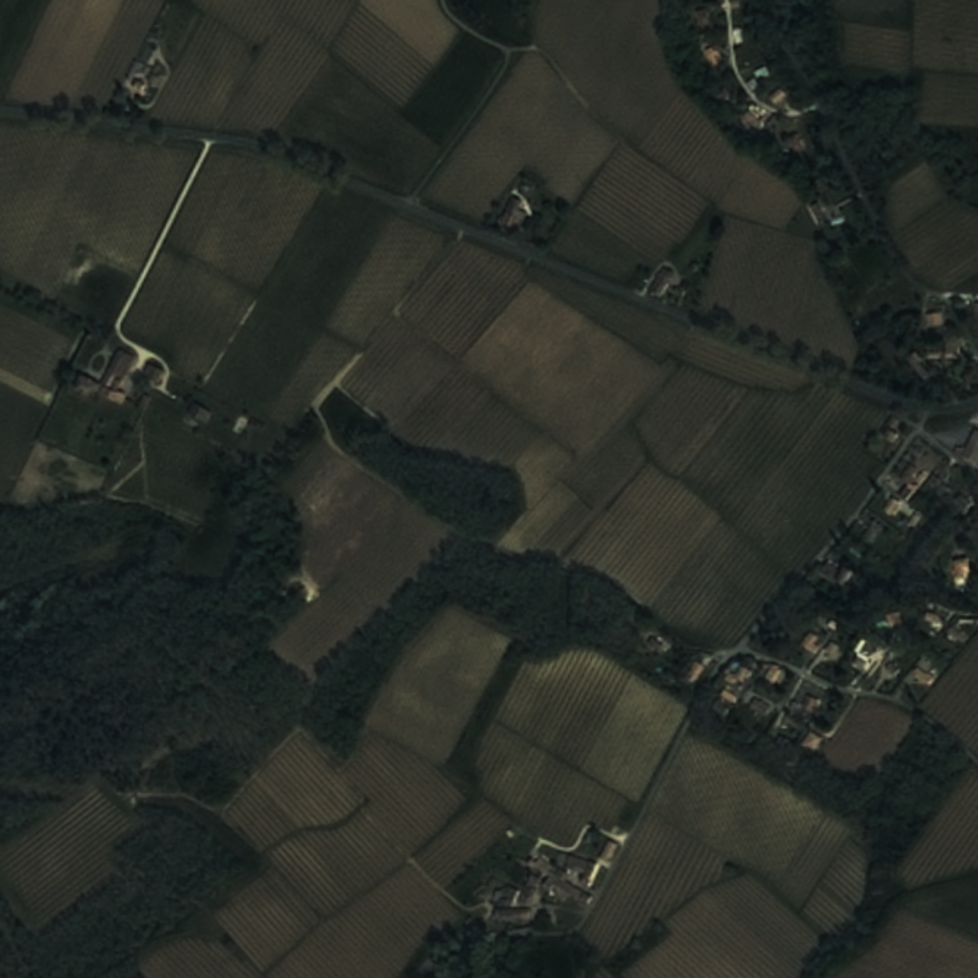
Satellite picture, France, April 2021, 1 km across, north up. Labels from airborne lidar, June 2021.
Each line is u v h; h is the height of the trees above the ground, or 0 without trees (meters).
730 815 0
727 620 0
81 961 15
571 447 0
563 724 0
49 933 11
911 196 0
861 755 0
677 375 0
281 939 0
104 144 0
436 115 0
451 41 0
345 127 0
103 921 11
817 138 5
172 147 0
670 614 0
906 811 9
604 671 0
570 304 0
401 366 0
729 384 0
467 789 0
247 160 0
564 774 0
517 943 10
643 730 0
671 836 0
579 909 0
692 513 0
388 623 16
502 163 0
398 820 0
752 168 0
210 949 0
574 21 0
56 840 0
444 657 0
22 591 17
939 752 16
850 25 0
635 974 0
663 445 0
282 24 0
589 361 0
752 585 0
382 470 15
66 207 0
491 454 0
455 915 0
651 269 7
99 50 0
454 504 17
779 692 12
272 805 0
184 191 0
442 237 0
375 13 0
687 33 22
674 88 0
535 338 0
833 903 0
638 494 0
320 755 0
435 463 19
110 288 0
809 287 0
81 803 0
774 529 0
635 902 0
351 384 0
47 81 0
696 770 0
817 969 13
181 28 0
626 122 0
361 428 19
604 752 0
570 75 0
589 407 0
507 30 0
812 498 0
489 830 0
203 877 13
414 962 0
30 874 0
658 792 0
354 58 0
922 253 0
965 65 0
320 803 0
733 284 0
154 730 14
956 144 18
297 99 0
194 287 0
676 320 0
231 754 13
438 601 8
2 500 0
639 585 0
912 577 18
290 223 0
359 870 0
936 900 0
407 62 0
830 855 0
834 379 22
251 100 0
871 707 0
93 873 0
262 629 14
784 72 11
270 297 0
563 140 0
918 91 12
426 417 0
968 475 11
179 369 0
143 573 21
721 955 0
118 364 0
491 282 0
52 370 0
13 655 15
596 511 0
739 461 0
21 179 0
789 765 20
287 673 16
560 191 0
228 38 0
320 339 0
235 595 21
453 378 0
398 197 0
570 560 0
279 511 11
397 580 0
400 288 0
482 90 0
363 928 0
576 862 0
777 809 0
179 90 0
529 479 0
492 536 16
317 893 0
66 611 21
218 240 0
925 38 0
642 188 0
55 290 0
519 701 0
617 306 0
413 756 0
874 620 18
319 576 0
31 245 0
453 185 0
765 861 0
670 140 0
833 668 6
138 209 0
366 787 0
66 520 20
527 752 0
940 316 0
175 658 13
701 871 0
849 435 0
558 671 0
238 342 0
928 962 0
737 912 0
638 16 0
